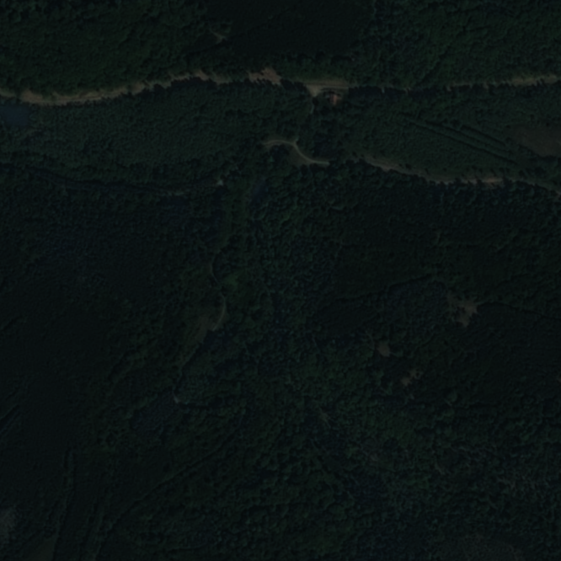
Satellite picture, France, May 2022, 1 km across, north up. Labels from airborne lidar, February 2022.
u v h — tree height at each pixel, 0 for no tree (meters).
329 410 27
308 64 24
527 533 13
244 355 18
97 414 15
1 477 17
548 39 24
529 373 15
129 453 18
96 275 21
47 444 19
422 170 0
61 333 18
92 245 26
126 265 22
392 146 18
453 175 0
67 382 16
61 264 24
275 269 27
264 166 27
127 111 22
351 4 14
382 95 34
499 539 13
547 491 24
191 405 23
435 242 12
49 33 26
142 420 28
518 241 21
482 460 18
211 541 25
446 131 17
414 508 23
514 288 14
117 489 16
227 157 17
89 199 23
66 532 13
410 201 15
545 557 13
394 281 10
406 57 14
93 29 32
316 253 31
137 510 15
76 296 20
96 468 17
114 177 17
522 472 22
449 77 17
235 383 30
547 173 22
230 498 23
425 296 23
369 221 15
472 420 20
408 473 27
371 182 18
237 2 15
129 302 22
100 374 14
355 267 14
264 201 25
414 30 16
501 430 12
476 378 15
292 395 23
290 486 29
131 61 19
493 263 15
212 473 23
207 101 23
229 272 32
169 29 25
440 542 6
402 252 12
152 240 25
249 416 27
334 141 20
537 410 25
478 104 22
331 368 29
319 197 13
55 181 29
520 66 24
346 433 23
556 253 14
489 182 0
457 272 12
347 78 14
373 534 33
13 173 28
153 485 12
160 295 25
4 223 19
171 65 27
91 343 16
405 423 25
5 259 17
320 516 22
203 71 30
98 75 27
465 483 12
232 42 14
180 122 23
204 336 0
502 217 17
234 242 21
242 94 27
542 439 30
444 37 21
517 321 12
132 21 18
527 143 0
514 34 24
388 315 19
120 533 15
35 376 15
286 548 27
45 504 16
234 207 24
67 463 19
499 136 18
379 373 26
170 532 19
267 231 28
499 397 15
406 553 26
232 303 16
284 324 28
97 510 17
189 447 13
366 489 27
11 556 17
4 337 10
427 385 16
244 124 25
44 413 18
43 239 26
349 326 14
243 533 21
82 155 26
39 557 0
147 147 26
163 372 22
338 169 22
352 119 20
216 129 18
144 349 25
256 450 26
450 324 12
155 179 24
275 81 0
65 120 17
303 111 19
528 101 21
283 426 20
